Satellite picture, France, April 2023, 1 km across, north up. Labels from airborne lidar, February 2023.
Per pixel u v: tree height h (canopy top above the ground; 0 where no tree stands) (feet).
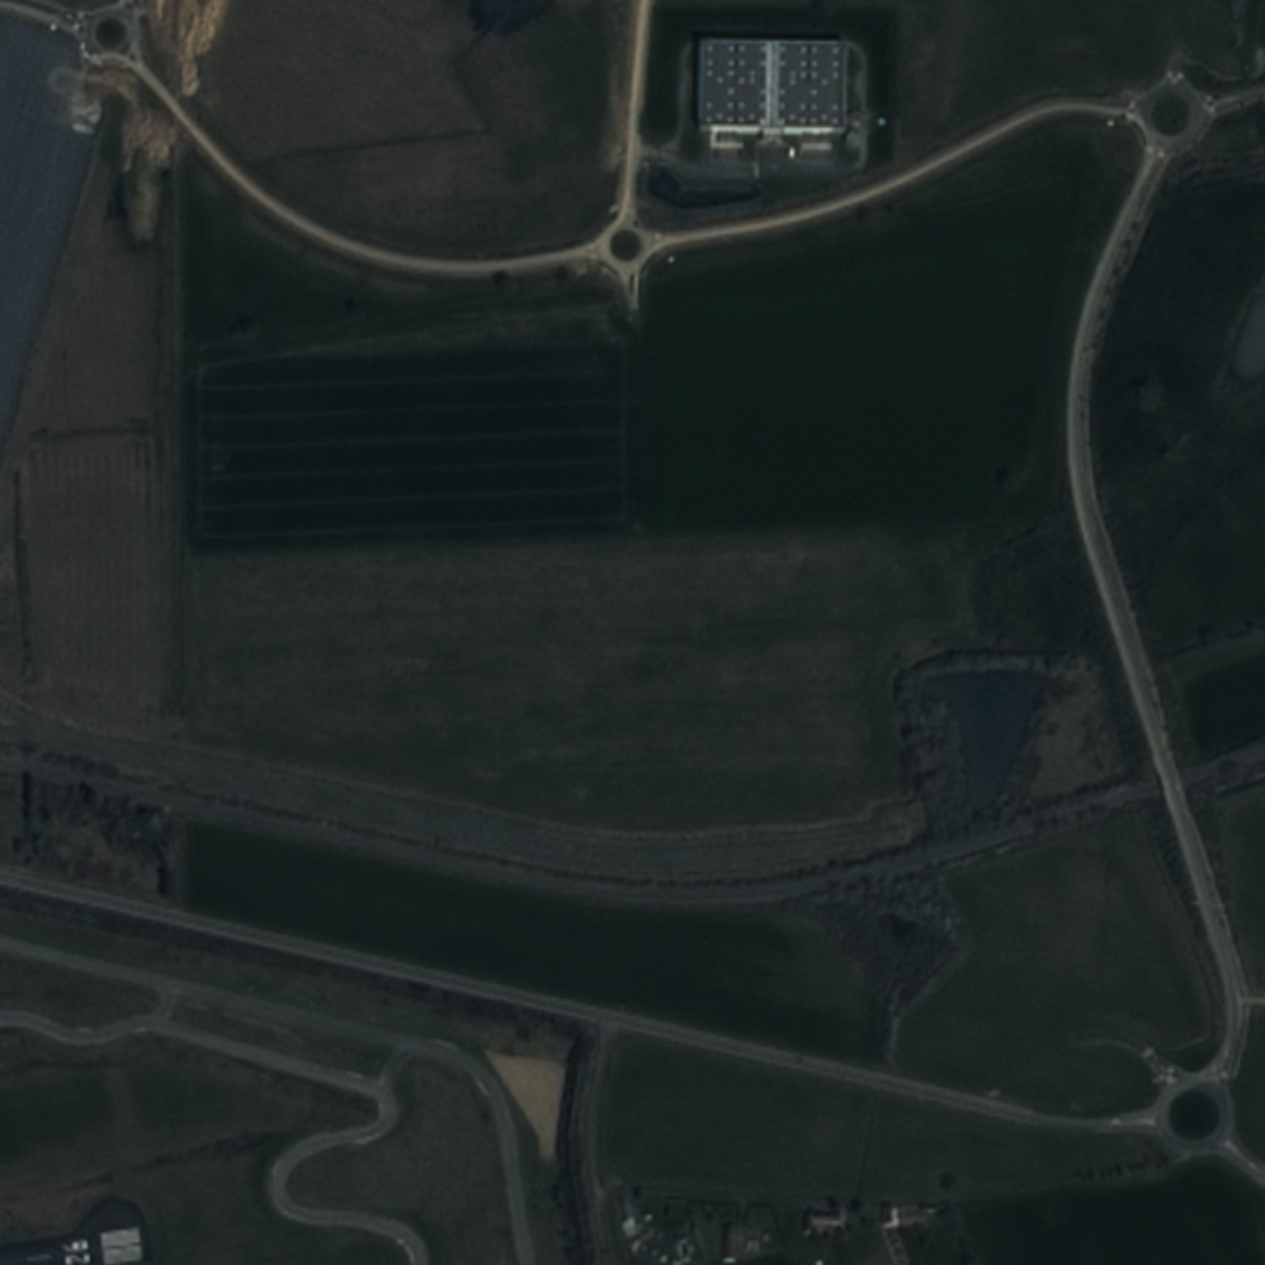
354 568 0
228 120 0
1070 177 0
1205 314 0
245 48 0
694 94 0
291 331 0
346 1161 0
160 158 0
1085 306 0
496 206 0
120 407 0
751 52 0
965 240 0
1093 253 0
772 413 0
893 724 0
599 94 0
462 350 0
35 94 0
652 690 0
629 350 0
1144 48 0
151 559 0
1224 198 0
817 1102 0
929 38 0
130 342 0
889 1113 0
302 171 0
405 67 0
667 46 0
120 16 0
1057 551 0
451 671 0
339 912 0
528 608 0
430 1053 0
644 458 0
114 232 0
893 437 0
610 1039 0
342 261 0
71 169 0
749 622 0
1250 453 0
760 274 0
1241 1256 0
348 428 0
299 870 0
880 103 0
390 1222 0
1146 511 0
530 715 0
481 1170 0
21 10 0
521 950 0
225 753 0
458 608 0
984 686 0
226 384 0
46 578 0
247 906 0
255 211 0
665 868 0
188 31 0
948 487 0
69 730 0
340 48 0
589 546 0
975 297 0
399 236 0
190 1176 0
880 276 0
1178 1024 0
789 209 0
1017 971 0
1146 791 0
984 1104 0
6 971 0
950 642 0
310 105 0
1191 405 0
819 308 0
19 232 0
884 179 0
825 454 0
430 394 0
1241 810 0
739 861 0
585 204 0
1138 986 0
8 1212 0
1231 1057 0
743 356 0
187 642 0
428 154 0
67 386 0
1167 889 0
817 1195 0
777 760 0
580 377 0
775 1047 0
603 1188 0
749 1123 0
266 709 0
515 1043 0
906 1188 0
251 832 0
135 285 0
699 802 0
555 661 0
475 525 0
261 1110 0
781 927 0
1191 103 0
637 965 0
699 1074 0
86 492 0
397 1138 0
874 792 0
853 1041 0
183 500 0
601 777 0
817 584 0
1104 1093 0
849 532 0
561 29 0
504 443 0
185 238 0
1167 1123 0
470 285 0
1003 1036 0
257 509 0
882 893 31
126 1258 0
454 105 0
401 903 0
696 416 0
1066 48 0
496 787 0
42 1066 0
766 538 0
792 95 0
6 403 0
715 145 0
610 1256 0
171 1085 0
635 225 0
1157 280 0
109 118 0
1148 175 0
